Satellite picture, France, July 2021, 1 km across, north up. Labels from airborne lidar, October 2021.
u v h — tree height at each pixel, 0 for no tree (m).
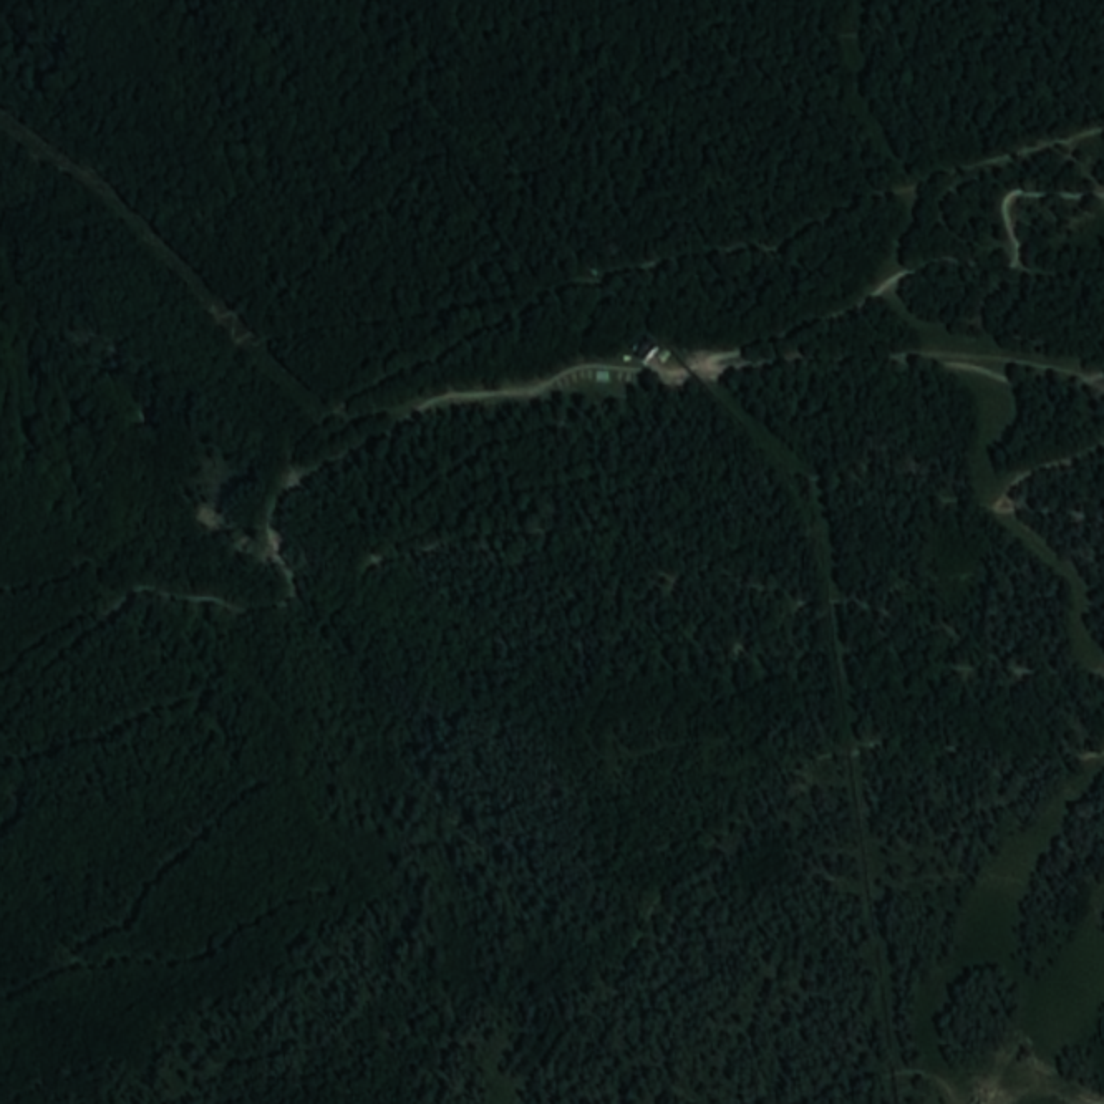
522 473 15
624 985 22
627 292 22
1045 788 22
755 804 7
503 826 31
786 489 20
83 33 22
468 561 15
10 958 15
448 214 17
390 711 8
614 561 13
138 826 22
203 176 26
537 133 15
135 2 18
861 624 17
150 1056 11
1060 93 22
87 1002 17
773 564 19
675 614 20
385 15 16
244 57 26
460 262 12
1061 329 15
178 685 19
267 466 17
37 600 22
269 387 20
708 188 24
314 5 21
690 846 12
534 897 8
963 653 20
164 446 14
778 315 21
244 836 21
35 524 18
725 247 16
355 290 16
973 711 21
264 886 19
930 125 23
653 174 10
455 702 18
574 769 9
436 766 26
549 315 21
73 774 21
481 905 11
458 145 23
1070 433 24
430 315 15
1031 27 22
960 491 11
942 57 22
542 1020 15
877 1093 19
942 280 19
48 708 22
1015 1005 18
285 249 20
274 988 17
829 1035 20
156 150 22
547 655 22
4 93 22
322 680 14
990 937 0
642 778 15
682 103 25
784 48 19
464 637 28
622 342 10
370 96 22
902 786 19
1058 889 13
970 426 20
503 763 26
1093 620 17
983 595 10
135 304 22
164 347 16
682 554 19
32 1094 14
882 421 17
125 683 19
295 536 14
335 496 18
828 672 20
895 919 28
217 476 0
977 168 5
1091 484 15
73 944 19
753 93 20
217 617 22
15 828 20
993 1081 0
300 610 10
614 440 15
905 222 20
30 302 24
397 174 19
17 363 24
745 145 23
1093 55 23
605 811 16
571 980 12
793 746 21
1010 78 22
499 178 21
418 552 16
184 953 19
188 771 18
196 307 22
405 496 21
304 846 19
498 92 22
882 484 14
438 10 25
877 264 18
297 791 16
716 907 17
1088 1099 0
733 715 20
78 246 19
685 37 18
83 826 21
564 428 8
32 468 22
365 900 17
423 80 23
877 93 22
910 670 20
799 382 22
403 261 18
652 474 18
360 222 14
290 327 15
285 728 18
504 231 18
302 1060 26
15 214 16
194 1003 20
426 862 6
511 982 6
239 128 28
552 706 13
